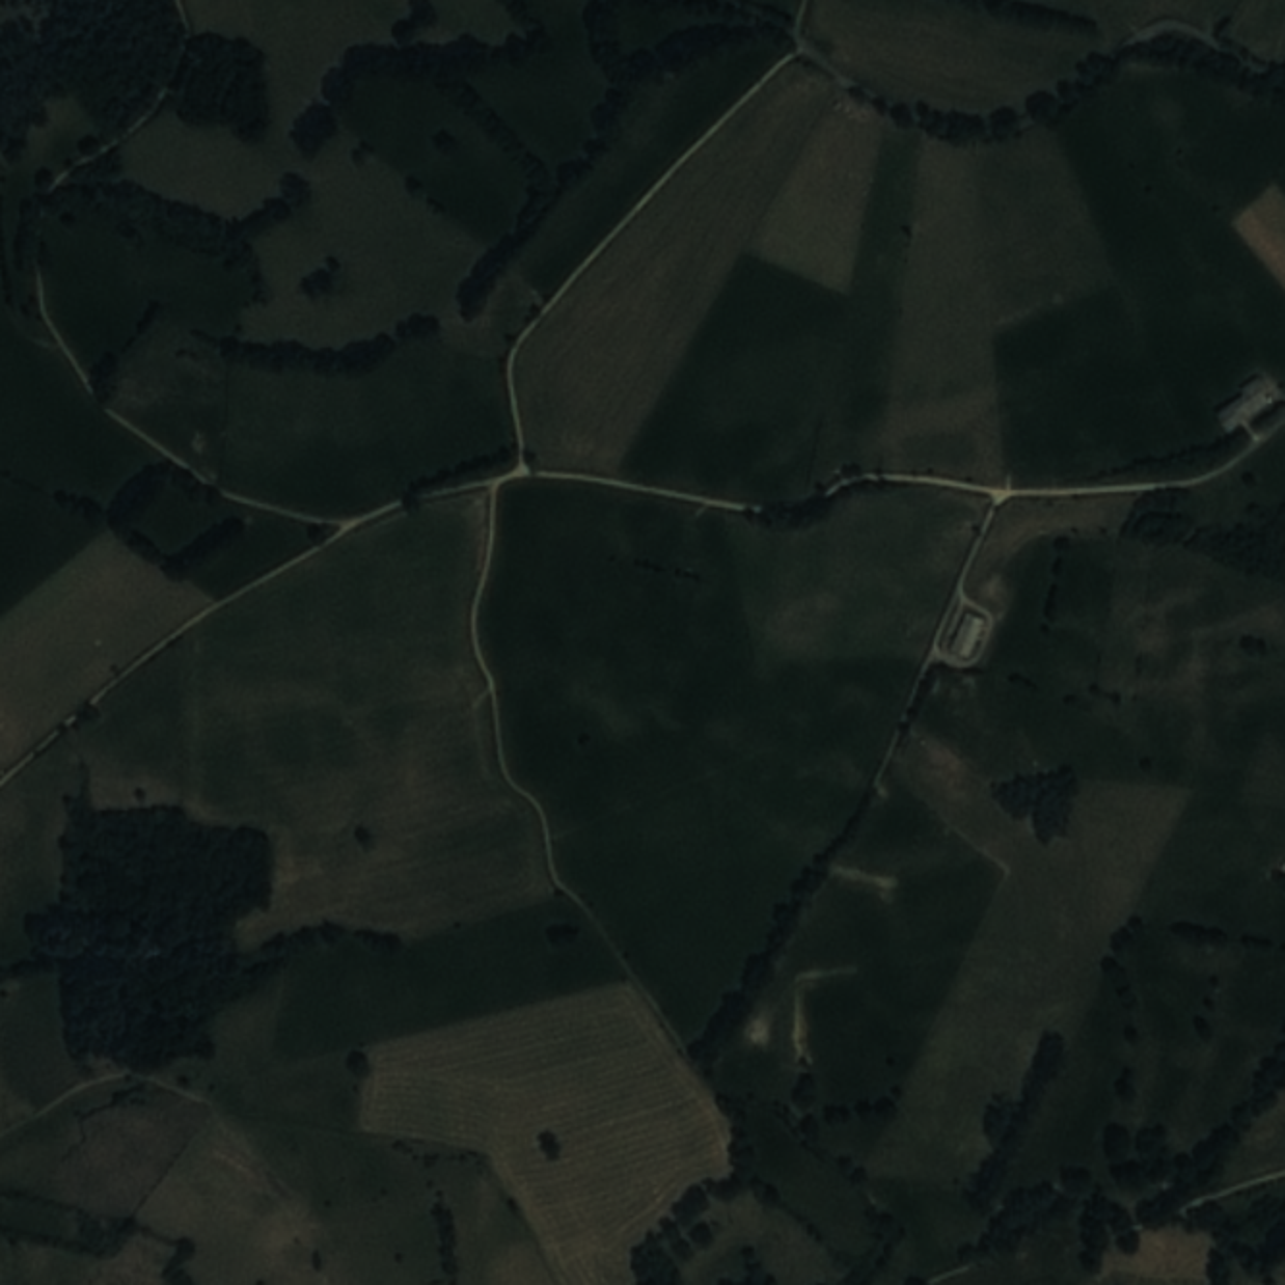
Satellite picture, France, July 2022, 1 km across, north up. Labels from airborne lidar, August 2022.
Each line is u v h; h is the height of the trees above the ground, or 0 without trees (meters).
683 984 0
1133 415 0
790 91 0
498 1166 0
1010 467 0
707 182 0
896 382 0
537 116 0
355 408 0
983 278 0
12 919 0
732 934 0
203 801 0
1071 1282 0
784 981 0
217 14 0
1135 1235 7
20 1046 0
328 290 15
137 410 0
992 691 0
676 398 0
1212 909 0
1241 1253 17
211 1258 0
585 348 0
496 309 0
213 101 14
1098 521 0
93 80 23
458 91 21
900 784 0
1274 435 0
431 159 0
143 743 0
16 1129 0
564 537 0
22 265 17
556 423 0
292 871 0
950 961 0
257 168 0
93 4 12
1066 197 0
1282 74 14
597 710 0
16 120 18
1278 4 0
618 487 0
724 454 0
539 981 0
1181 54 8
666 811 0
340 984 0
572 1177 0
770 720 0
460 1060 0
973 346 0
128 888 18
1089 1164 0
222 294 0
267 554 0
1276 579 8
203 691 0
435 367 0
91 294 0
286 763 0
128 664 0
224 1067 0
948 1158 0
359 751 0
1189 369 0
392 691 0
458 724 0
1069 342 0
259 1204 0
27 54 21
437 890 0
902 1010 0
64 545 0
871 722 0
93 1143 0
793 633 0
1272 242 0
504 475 0
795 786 0
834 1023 0
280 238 0
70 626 0
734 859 0
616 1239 0
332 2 0
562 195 7
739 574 0
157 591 0
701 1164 0
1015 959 0
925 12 0
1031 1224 19
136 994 20
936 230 0
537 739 0
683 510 0
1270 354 0
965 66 0
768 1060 0
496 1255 0
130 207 21
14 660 0
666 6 16
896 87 0
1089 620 0
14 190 0
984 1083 0
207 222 17
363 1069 14
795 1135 6
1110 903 0
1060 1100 0
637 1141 0
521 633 0
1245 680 0
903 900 0
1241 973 0
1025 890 0
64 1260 0
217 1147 0
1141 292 0
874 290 0
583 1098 0
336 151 0
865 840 0
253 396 0
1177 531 5
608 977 0
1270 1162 0
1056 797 20
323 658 0
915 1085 0
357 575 0
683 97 0
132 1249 0
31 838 0
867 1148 0
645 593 0
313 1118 0
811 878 13
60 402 0
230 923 19
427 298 0
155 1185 0
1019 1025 0
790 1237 0
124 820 9
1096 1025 0
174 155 0
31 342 0
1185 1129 0
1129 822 0
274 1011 0
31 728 0
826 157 0
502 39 0
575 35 0
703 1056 17
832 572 0
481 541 0
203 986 9
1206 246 0
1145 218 0
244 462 0
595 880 0
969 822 0
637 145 0
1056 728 0
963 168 0
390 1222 0
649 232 0
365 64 21
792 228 0
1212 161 0
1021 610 0
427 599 0
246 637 0
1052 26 13
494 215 0
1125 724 0
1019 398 0
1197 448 7
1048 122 15
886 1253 7
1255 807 0
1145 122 0
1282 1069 16
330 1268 0
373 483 0
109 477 0
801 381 0
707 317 0
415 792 0
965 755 0
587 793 0
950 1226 0
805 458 0
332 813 0
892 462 0
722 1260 0
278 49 0
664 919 0
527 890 0
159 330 0
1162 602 0
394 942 14
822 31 0
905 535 0
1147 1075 0
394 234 0
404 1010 0
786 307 0
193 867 18
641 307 0
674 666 0
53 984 0
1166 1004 0
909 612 0
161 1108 0
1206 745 0
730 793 0
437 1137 0
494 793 0
